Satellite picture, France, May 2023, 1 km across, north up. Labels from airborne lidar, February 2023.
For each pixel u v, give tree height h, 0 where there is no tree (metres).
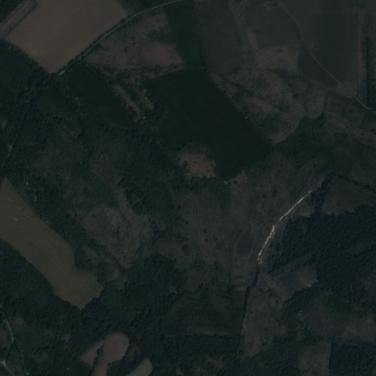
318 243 15
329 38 0
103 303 6
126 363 9
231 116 0
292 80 0
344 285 26
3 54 0
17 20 0
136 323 13
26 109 14
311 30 0
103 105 0
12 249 6
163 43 0
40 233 0
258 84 0
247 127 0
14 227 0
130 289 13
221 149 0
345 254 23
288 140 6
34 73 14
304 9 0
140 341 7
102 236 0
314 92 0
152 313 12
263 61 0
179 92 0
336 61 0
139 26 0
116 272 0
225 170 0
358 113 0
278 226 0
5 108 13
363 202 0
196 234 0
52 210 6
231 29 0
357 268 32
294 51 0
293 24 0
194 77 0
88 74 0
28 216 0
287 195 0
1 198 0
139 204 9
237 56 0
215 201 0
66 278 0
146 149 7
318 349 0
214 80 0
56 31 0
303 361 0
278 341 8
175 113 0
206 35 0
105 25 0
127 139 8
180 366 12
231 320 0
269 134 0
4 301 8
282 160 0
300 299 23
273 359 8
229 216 0
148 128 8
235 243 0
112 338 0
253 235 0
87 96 0
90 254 0
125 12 0
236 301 0
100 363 0
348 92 0
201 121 0
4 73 8
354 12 0
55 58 0
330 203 0
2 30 0
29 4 0
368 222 20
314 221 25
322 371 0
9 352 7
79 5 0
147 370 0
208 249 0
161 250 0
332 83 0
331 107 0
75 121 0
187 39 0
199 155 0
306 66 0
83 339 7
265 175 0
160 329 15
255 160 6
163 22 0
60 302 20
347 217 22
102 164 0
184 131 0
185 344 22
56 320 13
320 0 0
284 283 0
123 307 6
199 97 0
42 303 6
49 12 0
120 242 0
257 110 0
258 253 0
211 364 9
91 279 0
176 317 0
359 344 6
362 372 17
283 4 0
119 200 0
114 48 0
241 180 0
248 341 0
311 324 0
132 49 0
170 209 7
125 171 7
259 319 0
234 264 0
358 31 0
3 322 6
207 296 10
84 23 0
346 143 0
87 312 24
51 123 8
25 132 6
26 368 7
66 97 8
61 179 8
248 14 0
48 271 0
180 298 9
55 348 12
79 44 0
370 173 0
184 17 0
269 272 14
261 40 0
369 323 0
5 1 13
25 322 8
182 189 10
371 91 11
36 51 0
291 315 9
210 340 23
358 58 0
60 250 0
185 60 0
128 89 6
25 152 7
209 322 0
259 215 0
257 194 0
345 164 0
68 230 6
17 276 7
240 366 9
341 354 24
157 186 7
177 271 12
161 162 12
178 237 7
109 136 8
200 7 0
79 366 0
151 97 11
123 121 0
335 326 0
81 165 6
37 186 7
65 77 7
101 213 0
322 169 8
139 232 0
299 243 13
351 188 0
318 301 0
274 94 0
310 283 0
